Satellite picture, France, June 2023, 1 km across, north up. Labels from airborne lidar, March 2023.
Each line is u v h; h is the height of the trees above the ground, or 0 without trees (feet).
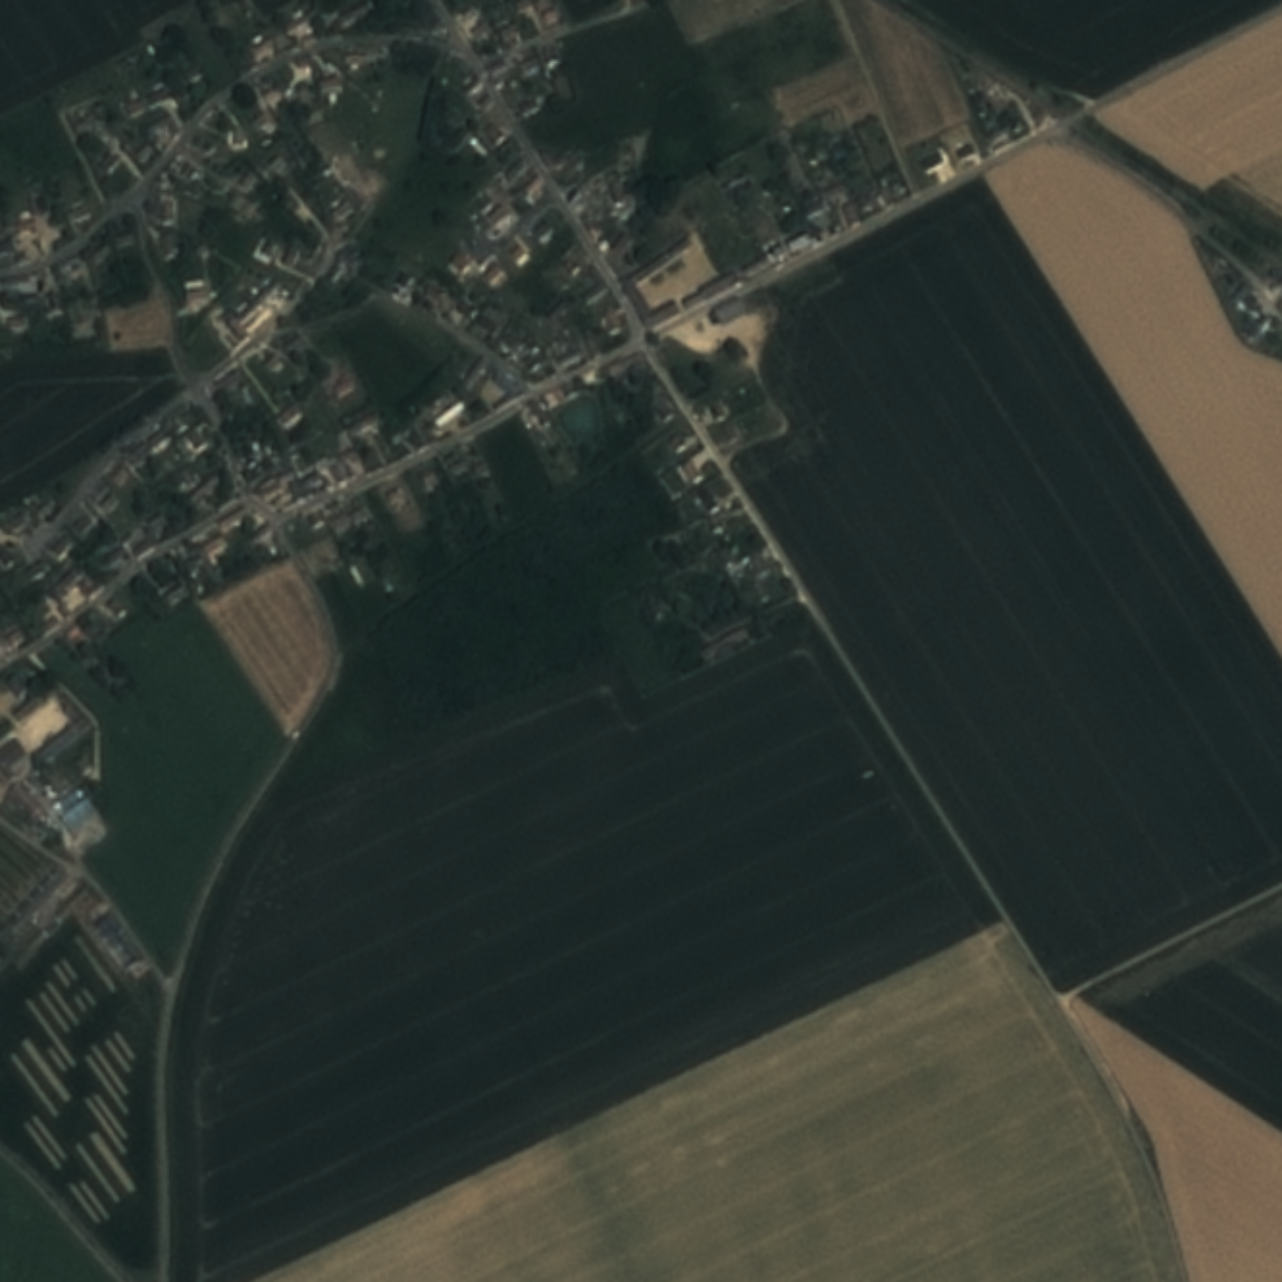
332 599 0
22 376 0
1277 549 0
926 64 0
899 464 0
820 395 0
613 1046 0
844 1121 0
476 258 0
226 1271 0
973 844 0
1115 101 0
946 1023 0
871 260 0
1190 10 0
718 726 0
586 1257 0
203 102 24
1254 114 0
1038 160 0
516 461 0
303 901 0
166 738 0
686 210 0
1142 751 0
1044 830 0
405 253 0
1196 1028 0
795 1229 0
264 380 0
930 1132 0
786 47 0
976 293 0
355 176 0
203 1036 0
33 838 0
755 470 0
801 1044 0
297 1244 0
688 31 0
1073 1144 0
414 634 27
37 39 0
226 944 0
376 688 0
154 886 0
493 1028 0
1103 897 0
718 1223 0
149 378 0
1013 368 0
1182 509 0
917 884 0
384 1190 0
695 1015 0
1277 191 0
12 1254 0
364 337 0
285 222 0
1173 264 0
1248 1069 0
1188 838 0
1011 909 0
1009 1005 0
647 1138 0
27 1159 0
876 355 0
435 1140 0
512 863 0
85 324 0
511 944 0
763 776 0
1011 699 0
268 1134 0
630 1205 0
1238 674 0
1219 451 0
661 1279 0
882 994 0
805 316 0
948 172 0
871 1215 0
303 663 0
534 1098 0
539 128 0
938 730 0
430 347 0
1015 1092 0
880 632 0
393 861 0
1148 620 0
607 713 0
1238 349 0
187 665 0
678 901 0
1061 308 0
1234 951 0
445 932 0
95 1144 0
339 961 0
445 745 0
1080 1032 0
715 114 0
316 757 0
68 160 0
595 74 0
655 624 19
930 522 0
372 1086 0
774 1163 0
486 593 25
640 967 0
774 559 0
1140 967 0
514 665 25
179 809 0
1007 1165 0
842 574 0
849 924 0
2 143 0
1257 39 0
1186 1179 0
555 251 0
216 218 30
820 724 0
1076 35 0
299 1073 0
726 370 0
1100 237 0
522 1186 0
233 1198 0
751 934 0
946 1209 0
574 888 0
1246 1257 0
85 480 0
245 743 0
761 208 0
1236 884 0
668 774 0
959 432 0
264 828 0
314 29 33
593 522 25
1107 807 0
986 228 0
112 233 26
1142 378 0
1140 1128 0
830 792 0
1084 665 0
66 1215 0
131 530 0
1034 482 0
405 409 18
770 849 0
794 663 0
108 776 0
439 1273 0
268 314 0
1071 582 0
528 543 24
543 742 0
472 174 0
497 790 0
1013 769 0
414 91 0
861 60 0
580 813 0
